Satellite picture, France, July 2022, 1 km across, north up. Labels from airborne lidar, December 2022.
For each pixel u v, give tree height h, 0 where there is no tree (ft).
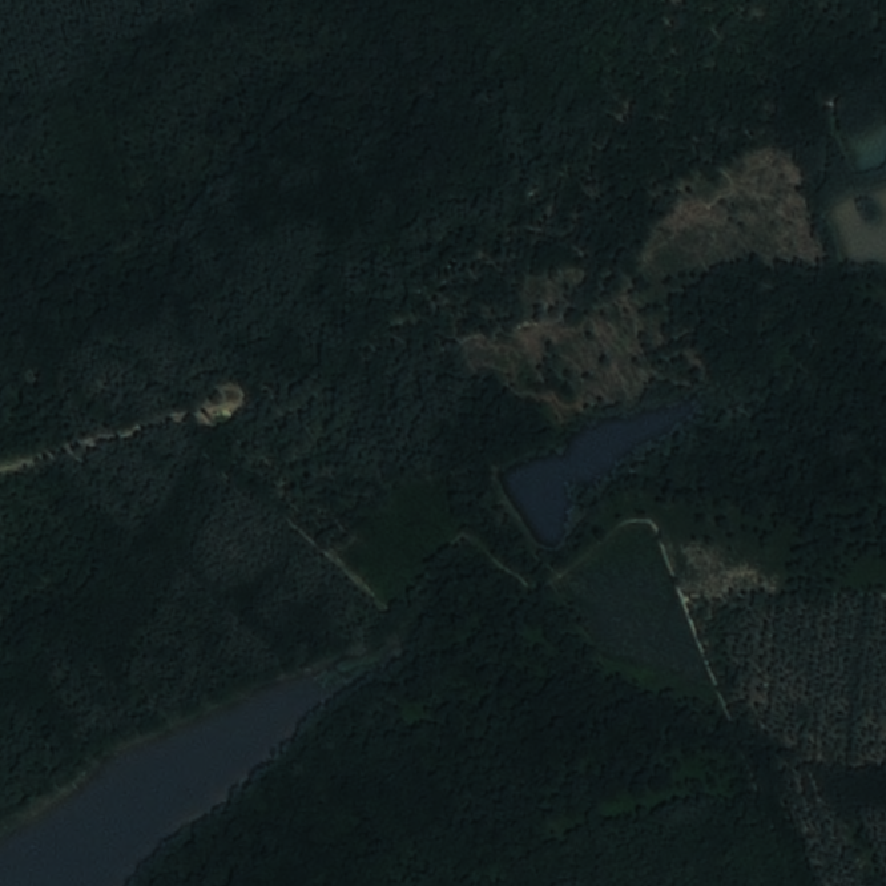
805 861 31
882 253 0
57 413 48
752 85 64
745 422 63
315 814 75
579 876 39
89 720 63
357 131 44
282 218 72
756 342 63
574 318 0
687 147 64
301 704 0
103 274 62
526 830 65
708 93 52
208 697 50
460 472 52
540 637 0
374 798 91
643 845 57
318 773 77
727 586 0
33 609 62
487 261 29
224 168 51
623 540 0
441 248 29
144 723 45
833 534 69
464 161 73
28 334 80
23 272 48
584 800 78
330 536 66
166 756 0
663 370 0
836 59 74
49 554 49
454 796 52
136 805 0
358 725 53
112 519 58
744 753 52
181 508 47
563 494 0
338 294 70
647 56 49
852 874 66
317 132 74
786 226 0
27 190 28
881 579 0
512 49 34
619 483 28
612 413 54
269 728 0
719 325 58
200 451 76
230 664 34
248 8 69
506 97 27
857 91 52
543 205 48
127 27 78
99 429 60
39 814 0
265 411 75
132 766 0
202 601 54
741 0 40
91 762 43
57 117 18
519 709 44
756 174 0
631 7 52
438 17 52
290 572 60
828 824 71
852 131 51
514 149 80
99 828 0
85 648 43
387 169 73
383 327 81
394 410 50
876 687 48
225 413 0
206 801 0
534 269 57
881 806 55
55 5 64
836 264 64
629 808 0
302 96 59
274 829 62
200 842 75
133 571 43
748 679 64
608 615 0
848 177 47
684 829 53
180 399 28
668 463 66
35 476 47
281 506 41
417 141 77
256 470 78
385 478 80
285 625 67
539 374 0
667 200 34
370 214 82
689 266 0
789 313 57
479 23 45
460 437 68
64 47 70
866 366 48
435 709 32
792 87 66
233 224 61
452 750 42
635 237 73
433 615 52
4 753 80
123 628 67
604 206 68
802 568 67
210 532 55
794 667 50
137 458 74
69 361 63
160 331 70
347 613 59
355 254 79
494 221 87
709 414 47
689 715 63
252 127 28
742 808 50
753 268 63
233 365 68
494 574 44
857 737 69
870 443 74
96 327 69
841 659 58
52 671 56
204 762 0
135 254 29
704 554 0
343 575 66
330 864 86
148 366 55
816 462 52
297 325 75
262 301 93
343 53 26
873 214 44
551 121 72
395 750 85
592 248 81
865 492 41
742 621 68
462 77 72
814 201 55
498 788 43
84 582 63
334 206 74
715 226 0
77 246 20
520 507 0
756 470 36
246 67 70
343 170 75
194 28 65
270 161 68
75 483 68
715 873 53
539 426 56
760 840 38
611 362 0
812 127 55
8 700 80
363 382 77
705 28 56
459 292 72
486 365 0
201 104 43
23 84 47
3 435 29
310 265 85
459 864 63
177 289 76
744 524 0
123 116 48
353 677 0
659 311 0
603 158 72
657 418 0
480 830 68
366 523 28
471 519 76
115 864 0
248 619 60
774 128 60
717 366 67
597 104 79
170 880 65
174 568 47
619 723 73
